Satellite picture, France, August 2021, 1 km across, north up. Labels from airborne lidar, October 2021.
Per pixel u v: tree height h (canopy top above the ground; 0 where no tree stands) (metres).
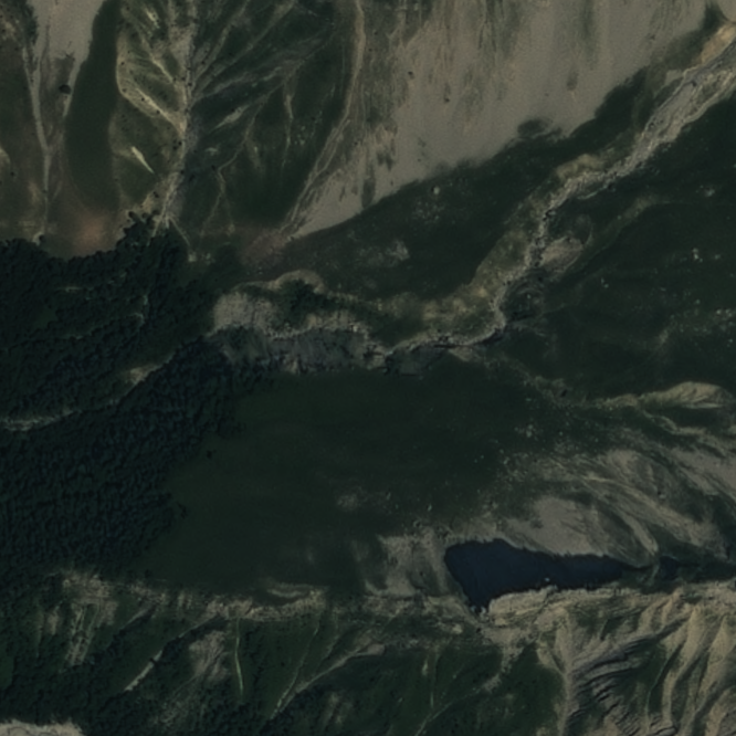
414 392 0
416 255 0
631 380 0
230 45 0
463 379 0
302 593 0
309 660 0
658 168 0
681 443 0
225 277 0
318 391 0
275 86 0
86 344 25
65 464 10
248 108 0
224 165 0
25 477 11
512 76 0
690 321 0
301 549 0
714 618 0
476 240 0
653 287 0
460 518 0
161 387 22
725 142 0
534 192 0
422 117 0
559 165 0
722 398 0
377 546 0
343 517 0
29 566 16
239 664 0
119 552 15
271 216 0
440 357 0
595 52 0
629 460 0
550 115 0
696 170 0
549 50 0
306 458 0
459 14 0
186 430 17
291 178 0
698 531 0
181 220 0
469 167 0
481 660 0
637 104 0
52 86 0
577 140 0
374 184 0
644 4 0
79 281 15
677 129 0
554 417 0
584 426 0
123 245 18
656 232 0
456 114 0
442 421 0
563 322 0
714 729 0
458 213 0
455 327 0
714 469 0
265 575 0
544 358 0
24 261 14
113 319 11
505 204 0
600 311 0
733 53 0
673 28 0
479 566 0
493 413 0
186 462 12
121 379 7
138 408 11
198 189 0
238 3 0
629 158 0
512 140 0
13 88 0
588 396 0
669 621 0
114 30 0
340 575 0
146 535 19
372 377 0
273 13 0
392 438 0
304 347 0
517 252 0
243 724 7
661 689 0
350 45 0
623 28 0
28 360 26
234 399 14
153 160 0
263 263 0
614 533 0
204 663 0
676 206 0
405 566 0
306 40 0
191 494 0
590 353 0
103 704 6
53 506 20
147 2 0
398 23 0
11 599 19
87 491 10
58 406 30
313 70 0
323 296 9
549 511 0
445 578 0
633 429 0
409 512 0
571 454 0
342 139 0
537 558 0
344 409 0
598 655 0
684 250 0
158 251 10
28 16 0
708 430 0
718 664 0
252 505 0
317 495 0
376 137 0
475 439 0
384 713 7
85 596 0
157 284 11
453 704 0
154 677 7
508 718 0
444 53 0
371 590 0
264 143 0
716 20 0
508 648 0
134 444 16
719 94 0
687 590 0
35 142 0
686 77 0
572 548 0
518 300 0
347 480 0
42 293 11
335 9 0
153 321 11
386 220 0
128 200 0
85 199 0
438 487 0
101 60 0
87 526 19
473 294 0
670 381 0
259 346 0
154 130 0
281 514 0
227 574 0
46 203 0
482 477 0
